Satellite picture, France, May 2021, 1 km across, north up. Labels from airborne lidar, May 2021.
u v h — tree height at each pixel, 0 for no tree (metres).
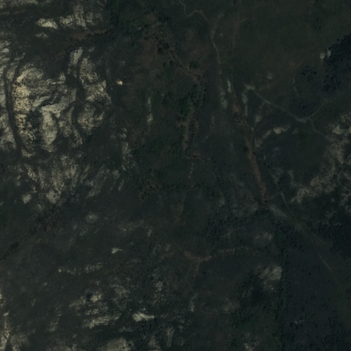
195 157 7
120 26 23
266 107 0
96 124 0
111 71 0
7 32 0
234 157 0
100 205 0
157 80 0
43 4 0
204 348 6
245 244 15
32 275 0
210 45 0
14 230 0
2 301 0
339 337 9
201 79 14
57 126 0
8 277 0
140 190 6
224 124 0
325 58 8
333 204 5
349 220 15
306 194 0
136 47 8
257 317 7
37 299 0
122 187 0
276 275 0
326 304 7
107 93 0
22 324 0
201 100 17
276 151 0
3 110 0
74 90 0
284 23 0
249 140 0
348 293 9
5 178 0
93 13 0
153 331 13
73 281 0
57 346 0
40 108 0
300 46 0
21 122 0
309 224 9
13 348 0
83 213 0
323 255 0
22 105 0
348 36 7
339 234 14
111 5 13
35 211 0
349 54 9
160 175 6
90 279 0
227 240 7
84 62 0
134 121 0
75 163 0
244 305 9
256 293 8
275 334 12
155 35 6
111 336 5
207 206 0
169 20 18
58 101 0
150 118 0
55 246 0
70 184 0
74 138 0
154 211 0
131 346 11
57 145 0
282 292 17
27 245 0
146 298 11
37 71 0
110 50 0
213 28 0
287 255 8
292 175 0
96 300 0
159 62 0
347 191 6
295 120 0
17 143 0
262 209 6
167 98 12
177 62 9
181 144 9
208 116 0
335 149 0
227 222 14
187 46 0
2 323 0
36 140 8
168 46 16
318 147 0
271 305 11
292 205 6
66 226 0
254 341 7
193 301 0
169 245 0
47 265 0
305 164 0
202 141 0
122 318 6
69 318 0
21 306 0
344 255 10
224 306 0
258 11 0
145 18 0
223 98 0
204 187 14
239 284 10
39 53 0
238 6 0
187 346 6
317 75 14
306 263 6
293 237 7
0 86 0
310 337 10
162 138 7
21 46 0
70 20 0
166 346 8
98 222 0
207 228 7
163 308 7
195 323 6
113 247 0
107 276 0
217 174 8
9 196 0
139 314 0
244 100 0
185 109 17
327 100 0
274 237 6
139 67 0
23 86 0
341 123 0
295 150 0
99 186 0
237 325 12
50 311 0
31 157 0
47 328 0
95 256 0
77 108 0
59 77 0
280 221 8
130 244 0
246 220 13
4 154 0
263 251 10
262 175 6
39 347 0
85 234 0
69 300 0
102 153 0
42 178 0
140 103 0
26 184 0
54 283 0
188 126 0
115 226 0
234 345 7
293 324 15
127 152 0
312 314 6
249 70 0
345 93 0
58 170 0
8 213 0
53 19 0
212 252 7
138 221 0
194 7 0
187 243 0
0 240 0
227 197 6
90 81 0
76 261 0
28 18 0
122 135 0
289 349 7
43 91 0
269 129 0
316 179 0
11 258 0
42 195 0
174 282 0
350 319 0
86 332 0
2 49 0
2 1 0
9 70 0
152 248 6
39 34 0
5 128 0
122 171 8
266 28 0
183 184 6
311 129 0
